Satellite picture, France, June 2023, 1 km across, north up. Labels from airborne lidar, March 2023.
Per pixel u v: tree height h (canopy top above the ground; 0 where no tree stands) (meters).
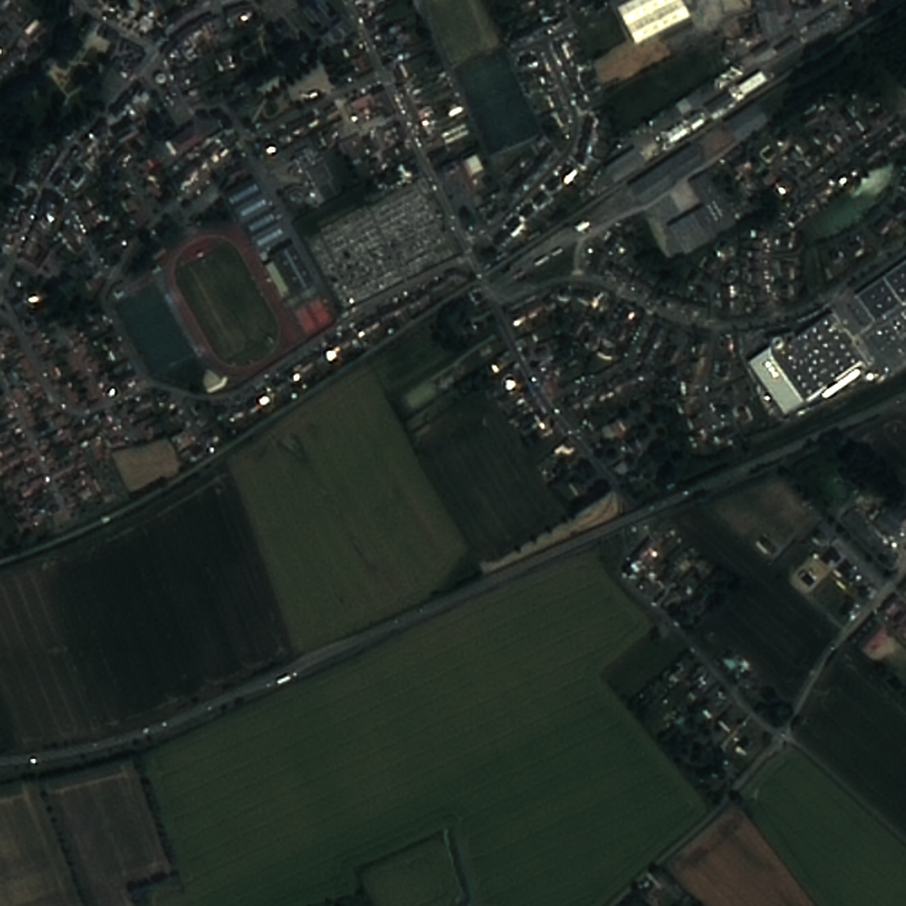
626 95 0
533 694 0
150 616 0
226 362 0
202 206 0
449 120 0
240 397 0
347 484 0
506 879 0
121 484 0
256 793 0
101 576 0
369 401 0
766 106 0
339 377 0
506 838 0
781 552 0
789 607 0
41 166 0
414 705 0
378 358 0
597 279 0
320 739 0
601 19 0
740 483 0
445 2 0
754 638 0
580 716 0
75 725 0
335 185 0
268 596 0
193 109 0
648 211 0
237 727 0
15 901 0
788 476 13
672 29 0
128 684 0
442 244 0
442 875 0
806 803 0
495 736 0
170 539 0
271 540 0
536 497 0
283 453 0
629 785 0
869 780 0
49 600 0
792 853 0
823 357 0
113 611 0
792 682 0
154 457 0
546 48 0
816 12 0
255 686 0
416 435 0
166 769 0
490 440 0
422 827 0
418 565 0
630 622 0
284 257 0
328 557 0
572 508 11
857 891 0
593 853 0
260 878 0
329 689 0
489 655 0
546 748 0
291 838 0
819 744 0
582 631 0
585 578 0
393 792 0
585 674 0
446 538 0
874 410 0
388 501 0
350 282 0
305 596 0
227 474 0
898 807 0
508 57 0
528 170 0
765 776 0
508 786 0
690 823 0
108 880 0
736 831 0
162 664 0
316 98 9
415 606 0
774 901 0
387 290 0
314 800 0
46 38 13
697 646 0
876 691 0
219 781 0
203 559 0
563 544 0
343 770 0
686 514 0
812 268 0
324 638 0
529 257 0
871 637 0
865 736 0
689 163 0
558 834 0
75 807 0
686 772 6
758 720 0
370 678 0
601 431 0
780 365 0
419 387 0
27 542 7
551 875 0
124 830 0
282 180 0
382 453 0
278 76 0
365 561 0
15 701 0
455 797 0
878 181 0
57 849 0
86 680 0
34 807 0
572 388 0
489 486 0
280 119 0
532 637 0
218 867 0
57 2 8
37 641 0
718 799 9
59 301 12
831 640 0
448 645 0
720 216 0
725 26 0
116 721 0
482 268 0
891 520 0
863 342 0
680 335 0
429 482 0
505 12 9
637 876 0
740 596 0
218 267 0
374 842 0
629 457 8
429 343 0
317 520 0
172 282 0
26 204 0
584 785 0
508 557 0
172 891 0
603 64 0
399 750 0
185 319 0
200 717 0
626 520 0
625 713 0
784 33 0
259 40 0
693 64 0
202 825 0
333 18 0
